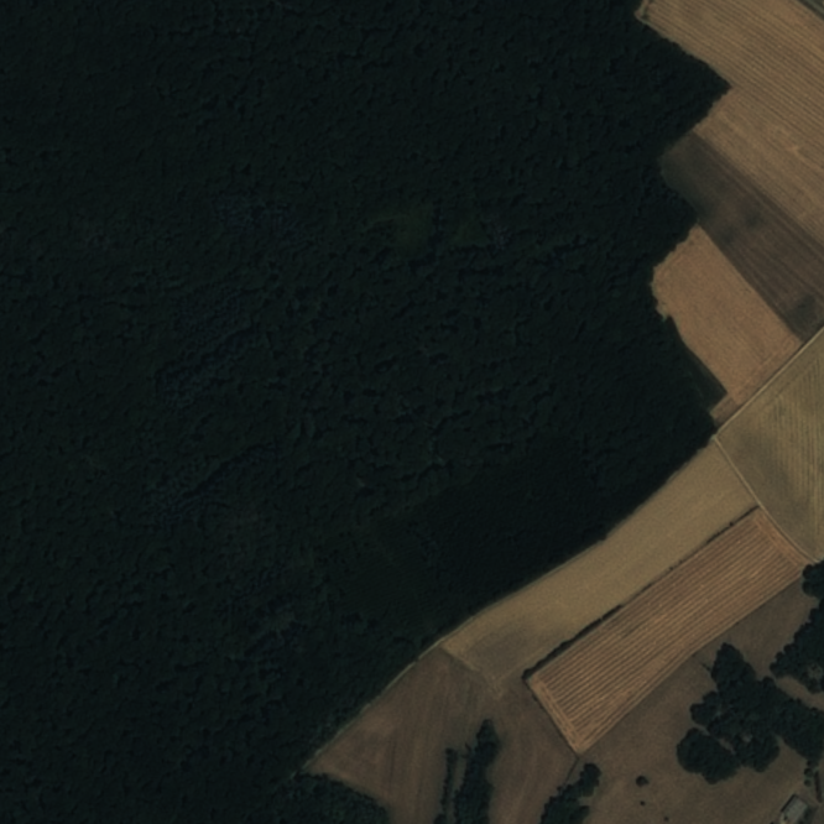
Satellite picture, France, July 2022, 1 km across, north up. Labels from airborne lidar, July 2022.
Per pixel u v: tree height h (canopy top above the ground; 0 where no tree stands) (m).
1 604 28
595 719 0
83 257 22
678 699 0
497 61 26
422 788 0
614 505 19
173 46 27
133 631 24
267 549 27
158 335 24
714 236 0
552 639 0
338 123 26
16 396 27
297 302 26
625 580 0
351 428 29
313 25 27
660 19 0
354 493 24
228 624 17
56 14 31
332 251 15
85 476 28
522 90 27
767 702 20
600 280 24
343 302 25
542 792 0
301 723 26
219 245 28
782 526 0
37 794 20
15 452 24
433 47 27
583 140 31
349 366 26
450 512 10
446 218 24
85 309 27
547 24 27
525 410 28
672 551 0
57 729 27
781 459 0
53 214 23
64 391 27
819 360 0
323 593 28
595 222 26
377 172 27
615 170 25
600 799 0
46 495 25
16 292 28
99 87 29
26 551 24
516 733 0
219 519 25
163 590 29
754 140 0
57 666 26
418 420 30
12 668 25
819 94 0
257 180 25
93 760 22
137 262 22
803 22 0
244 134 27
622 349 22
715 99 14
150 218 17
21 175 26
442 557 7
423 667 0
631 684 0
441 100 29
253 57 22
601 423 33
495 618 0
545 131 28
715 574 0
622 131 31
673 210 24
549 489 10
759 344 0
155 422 23
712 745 20
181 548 29
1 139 28
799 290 0
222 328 23
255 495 27
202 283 19
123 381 26
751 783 0
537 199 28
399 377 29
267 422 30
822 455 0
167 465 23
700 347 0
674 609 0
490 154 27
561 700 0
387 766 0
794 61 0
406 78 29
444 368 27
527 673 8
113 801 25
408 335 30
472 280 29
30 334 27
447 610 6
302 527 26
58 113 25
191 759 30
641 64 25
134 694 26
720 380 0
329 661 23
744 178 0
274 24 25
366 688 23
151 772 29
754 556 0
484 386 30
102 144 29
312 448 26
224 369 28
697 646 0
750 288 0
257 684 31
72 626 22
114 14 28
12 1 29
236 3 27
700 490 0
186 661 28
